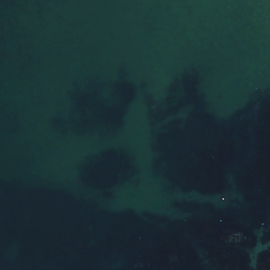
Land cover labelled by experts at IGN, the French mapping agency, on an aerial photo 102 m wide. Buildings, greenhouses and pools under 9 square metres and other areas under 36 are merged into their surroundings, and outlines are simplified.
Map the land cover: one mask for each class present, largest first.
<instances>
[{"label":"water","instance_id":"1","mask_svg":"<svg viewBox=\"0 0 270 270\"><path fill-rule=\"evenodd\" d=\"M0 270H270V0H0Z\"/></svg>","mask_w":270,"mask_h":270}]
</instances>
